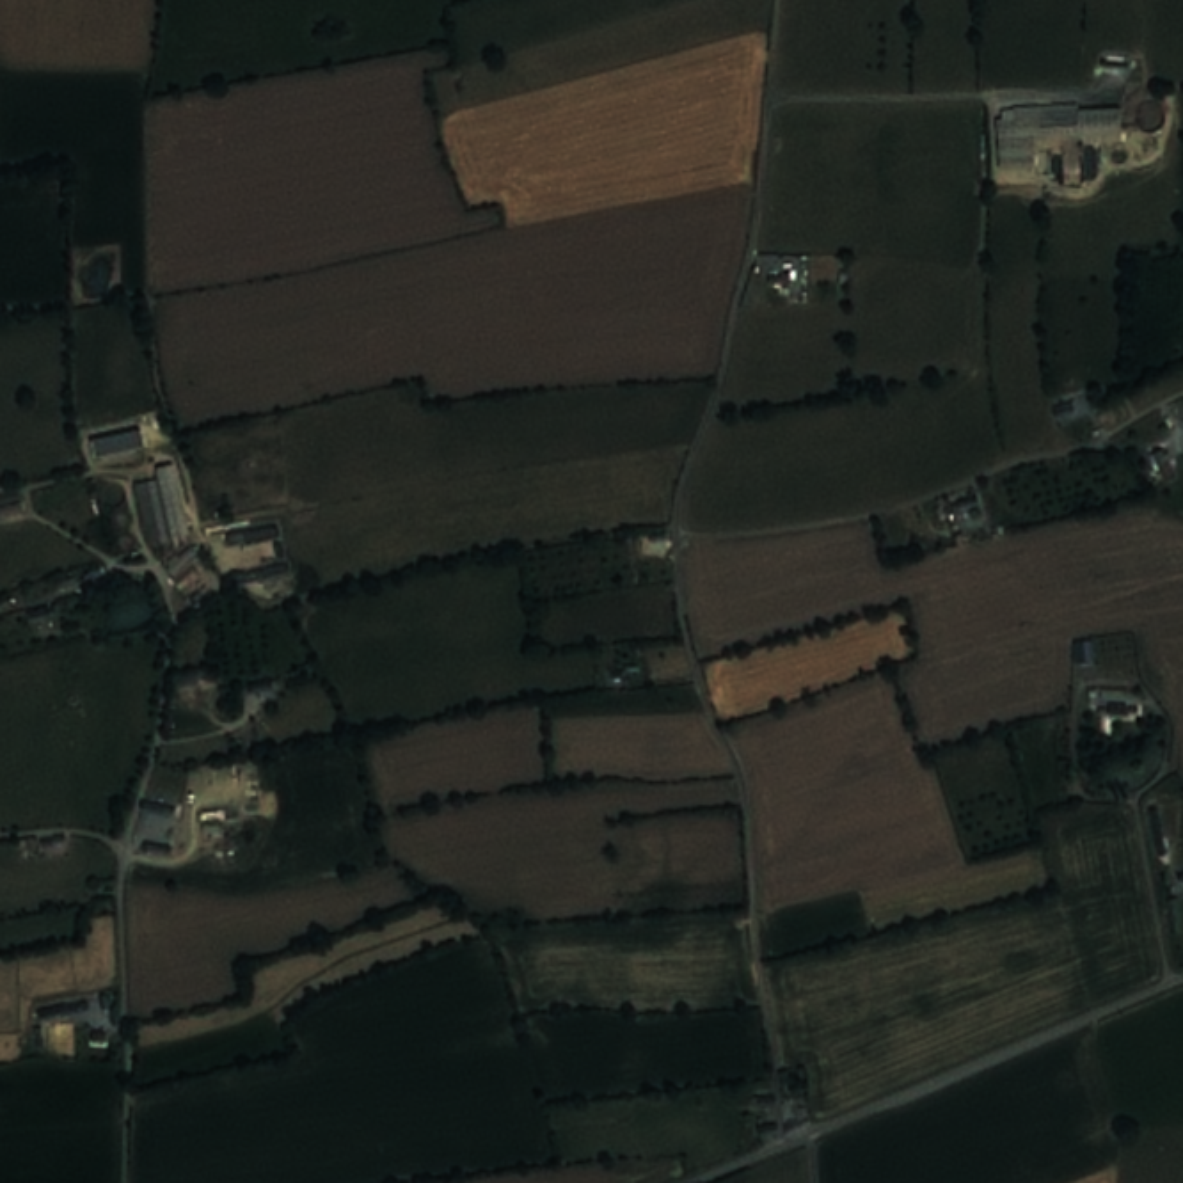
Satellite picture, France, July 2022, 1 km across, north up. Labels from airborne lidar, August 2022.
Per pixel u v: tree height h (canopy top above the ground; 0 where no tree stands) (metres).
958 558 0
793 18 0
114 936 0
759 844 0
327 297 0
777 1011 0
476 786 0
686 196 0
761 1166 0
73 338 16
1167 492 8
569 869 0
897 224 0
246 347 0
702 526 0
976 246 0
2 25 0
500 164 0
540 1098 14
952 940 0
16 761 0
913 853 0
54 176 19
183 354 0
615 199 0
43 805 0
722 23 0
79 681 0
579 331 0
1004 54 0
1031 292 0
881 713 0
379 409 0
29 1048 0
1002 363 0
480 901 0
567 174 0
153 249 0
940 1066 0
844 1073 0
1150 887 0
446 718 8
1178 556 0
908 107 0
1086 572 0
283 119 0
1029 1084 0
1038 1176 0
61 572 6
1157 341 7
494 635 0
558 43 0
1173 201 0
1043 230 7
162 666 8
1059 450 0
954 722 0
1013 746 10
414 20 0
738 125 0
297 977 0
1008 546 0
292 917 0
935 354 0
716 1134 0
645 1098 13
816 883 0
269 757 13
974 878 0
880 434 0
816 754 0
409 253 0
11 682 0
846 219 0
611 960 0
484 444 0
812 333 0
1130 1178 0
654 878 0
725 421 13
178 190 0
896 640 0
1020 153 0
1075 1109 0
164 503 0
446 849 0
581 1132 0
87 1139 0
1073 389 0
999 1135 0
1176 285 6
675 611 6
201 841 0
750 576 0
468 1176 9
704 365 0
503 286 0
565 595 6
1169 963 0
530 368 0
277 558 0
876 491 0
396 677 0
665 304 0
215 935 0
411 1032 0
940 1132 0
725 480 0
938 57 0
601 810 0
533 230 0
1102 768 25
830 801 0
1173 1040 0
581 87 0
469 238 0
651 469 0
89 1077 0
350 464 0
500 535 0
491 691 0
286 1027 6
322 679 7
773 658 0
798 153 0
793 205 0
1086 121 0
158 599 15
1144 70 0
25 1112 0
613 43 0
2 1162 0
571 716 0
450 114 0
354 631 0
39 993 0
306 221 0
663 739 0
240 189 0
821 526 0
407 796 0
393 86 0
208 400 0
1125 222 0
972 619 0
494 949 8
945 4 0
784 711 15
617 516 0
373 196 0
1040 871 0
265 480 0
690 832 0
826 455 0
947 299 0
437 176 0
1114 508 12
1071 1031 0
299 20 0
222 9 0
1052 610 0
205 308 0
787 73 0
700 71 0
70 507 0
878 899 0
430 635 0
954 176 0
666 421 0
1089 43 0
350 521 0
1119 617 0
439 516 0
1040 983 0
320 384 0
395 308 0
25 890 0
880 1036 0
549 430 0
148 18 0
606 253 0
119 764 0
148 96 6
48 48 0
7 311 14
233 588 14
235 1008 9
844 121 0
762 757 0
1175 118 0
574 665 0
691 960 0
